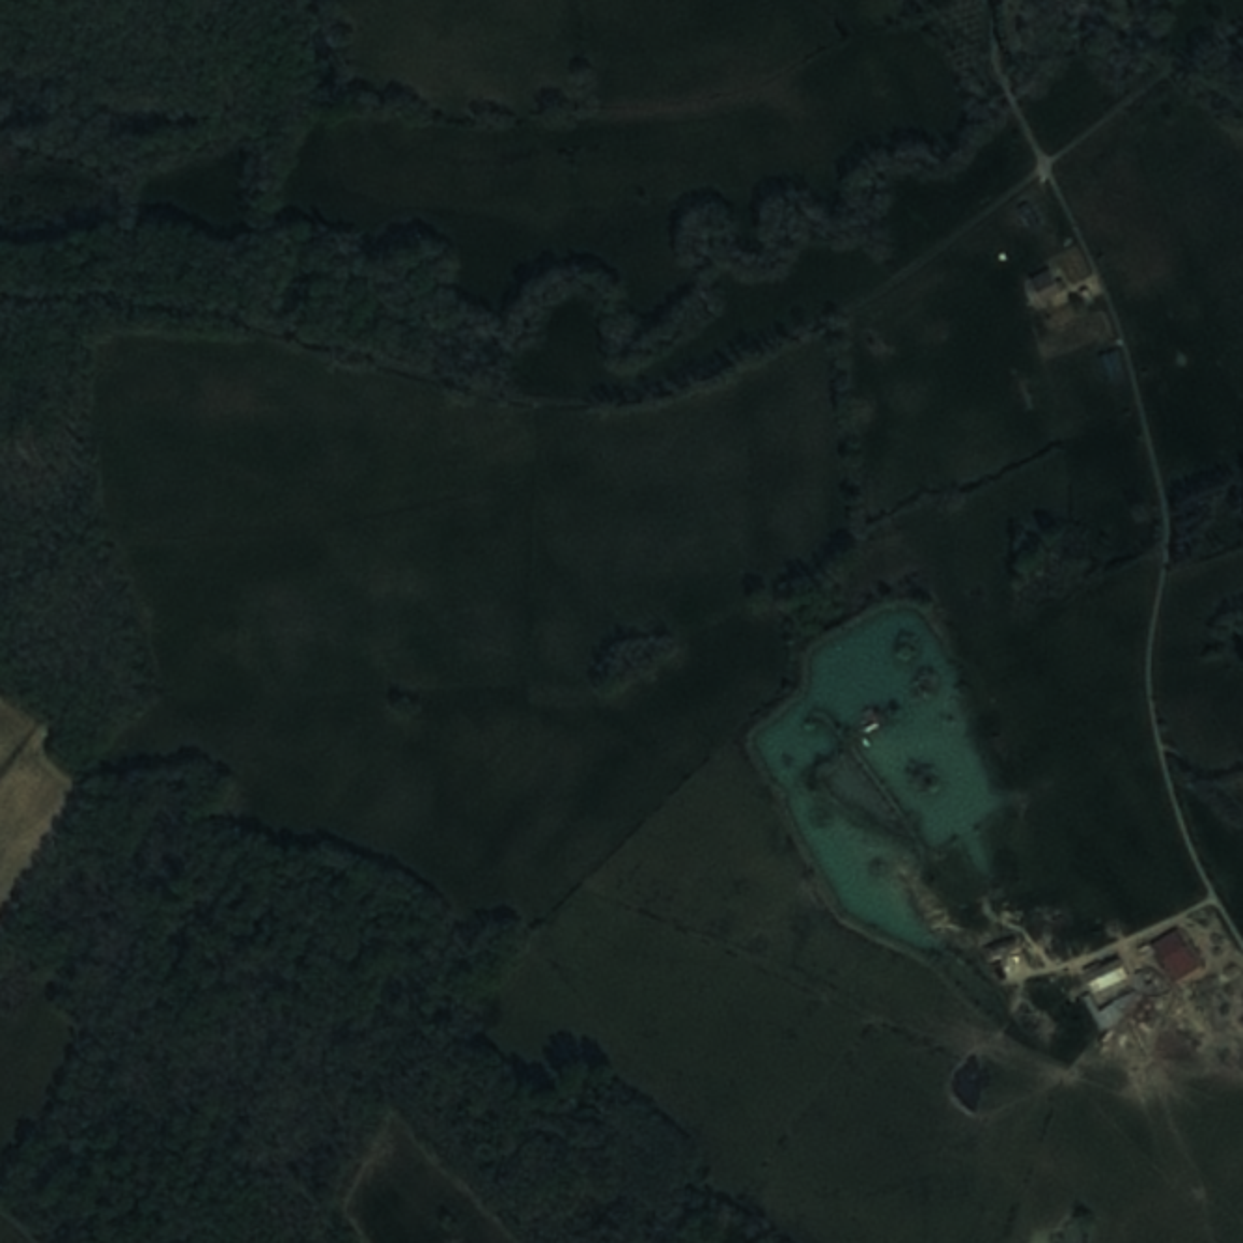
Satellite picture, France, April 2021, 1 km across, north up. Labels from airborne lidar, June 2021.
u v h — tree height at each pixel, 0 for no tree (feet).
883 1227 0
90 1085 51
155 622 0
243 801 0
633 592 0
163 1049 81
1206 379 0
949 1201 0
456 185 0
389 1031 59
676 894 0
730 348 0
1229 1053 0
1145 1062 0
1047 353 0
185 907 76
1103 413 0
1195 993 0
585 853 0
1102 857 0
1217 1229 0
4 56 78
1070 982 0
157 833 74
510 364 69
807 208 69
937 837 0
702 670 0
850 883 0
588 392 0
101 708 64
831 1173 0
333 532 0
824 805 0
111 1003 51
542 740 0
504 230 0
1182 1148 0
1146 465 0
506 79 0
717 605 0
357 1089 63
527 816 0
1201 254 0
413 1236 0
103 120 91
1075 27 70
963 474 0
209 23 57
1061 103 0
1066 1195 0
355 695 0
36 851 0
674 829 0
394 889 82
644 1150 66
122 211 59
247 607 0
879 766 0
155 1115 61
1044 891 0
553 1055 0
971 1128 0
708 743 0
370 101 56
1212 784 49
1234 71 62
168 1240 52
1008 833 0
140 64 88
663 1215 67
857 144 0
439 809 0
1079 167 0
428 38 0
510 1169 41
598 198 0
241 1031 67
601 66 0
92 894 76
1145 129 0
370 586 0
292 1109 59
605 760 0
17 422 46
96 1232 67
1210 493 60
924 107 0
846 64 0
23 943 65
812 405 0
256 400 0
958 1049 0
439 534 0
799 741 0
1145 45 93
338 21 59
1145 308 0
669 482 0
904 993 0
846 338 41
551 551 0
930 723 0
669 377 0
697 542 0
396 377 0
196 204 0
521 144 0
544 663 0
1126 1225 0
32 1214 52
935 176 54
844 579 52
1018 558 37
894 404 0
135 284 79
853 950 0
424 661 0
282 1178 61
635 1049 0
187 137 67
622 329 81
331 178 0
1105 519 0
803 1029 0
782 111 0
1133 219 0
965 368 0
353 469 0
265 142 67
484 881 0
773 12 0
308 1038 73
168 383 0
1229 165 0
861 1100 0
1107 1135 0
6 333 50
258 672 0
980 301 0
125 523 0
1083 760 0
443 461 0
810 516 0
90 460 47
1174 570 20
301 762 0
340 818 0
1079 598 0
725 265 67
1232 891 0
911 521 0
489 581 0
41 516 67
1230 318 0
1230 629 31
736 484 0
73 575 63
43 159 65
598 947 0
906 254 0
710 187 0
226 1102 62
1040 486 0
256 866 75
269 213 54
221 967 82
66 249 71
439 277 79
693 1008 0
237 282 80
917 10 52
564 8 0
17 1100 0
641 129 0
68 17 67
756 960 0
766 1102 0
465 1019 77
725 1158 0
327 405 0
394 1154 0
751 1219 42
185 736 0
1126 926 0
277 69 72
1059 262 0
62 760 45
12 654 64
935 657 0
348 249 68
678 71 0
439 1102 53
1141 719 0
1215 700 0
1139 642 0
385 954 97
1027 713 0
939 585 0
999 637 0
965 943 0
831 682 0
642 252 0
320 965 81
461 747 0
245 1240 58
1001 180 0
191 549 0
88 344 65
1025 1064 0
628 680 67
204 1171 66
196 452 0
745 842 0
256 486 0
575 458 0
